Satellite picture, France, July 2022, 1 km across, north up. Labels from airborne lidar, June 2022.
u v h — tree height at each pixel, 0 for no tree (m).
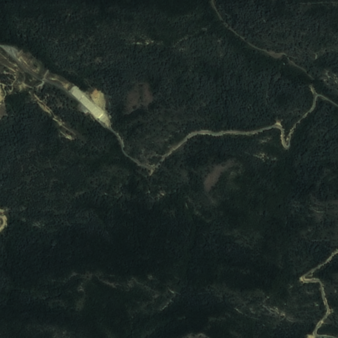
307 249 7
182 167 5
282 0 7
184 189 6
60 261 10
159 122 9
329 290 0
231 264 6
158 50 17
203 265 7
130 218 6
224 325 6
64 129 0
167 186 7
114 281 7
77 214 8
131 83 11
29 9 8
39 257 9
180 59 9
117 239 9
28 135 12
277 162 7
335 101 8
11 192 6
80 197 9
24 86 0
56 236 5
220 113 12
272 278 9
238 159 8
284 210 6
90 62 11
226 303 8
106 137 11
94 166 8
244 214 7
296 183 9
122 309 9
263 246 6
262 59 12
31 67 0
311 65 10
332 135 12
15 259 8
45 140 11
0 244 16
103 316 8
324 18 9
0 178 12
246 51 10
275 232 8
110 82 6
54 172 7
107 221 8
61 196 11
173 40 8
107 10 11
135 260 9
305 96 15
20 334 9
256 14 16
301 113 13
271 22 16
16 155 5
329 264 9
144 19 8
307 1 6
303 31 10
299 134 10
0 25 13
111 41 11
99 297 7
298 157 10
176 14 8
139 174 8
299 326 6
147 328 6
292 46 11
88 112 0
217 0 7
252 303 8
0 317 9
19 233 6
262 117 12
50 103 8
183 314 7
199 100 7
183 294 7
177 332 8
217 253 7
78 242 10
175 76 8
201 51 10
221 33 14
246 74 16
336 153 12
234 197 6
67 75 8
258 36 10
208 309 8
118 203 10
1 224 0
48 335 8
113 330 9
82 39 8
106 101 0
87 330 9
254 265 7
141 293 6
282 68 8
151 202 6
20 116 8
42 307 7
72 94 0
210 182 0
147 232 9
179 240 6
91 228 8
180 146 0
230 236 6
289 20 12
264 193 8
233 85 16
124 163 9
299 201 6
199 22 8
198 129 14
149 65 14
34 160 9
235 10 17
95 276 6
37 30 8
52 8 9
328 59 11
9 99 7
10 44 7
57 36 7
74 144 7
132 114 8
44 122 12
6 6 7
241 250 7
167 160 6
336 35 6
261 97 9
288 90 15
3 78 7
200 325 8
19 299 14
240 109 13
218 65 7
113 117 8
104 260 9
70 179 8
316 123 13
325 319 0
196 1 10
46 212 7
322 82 11
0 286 16
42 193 7
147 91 0
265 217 8
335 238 0
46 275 7
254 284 7
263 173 9
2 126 8
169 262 6
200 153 6
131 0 10
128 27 7
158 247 8
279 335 7
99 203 10
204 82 13
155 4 7
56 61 12
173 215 6
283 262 7
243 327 8
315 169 8
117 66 11
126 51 13
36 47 17
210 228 12
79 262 7
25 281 7
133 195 7
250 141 6
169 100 7
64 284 6
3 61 0
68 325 8
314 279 0
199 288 6
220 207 5
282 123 7
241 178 17
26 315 10
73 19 9
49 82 0
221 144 11
